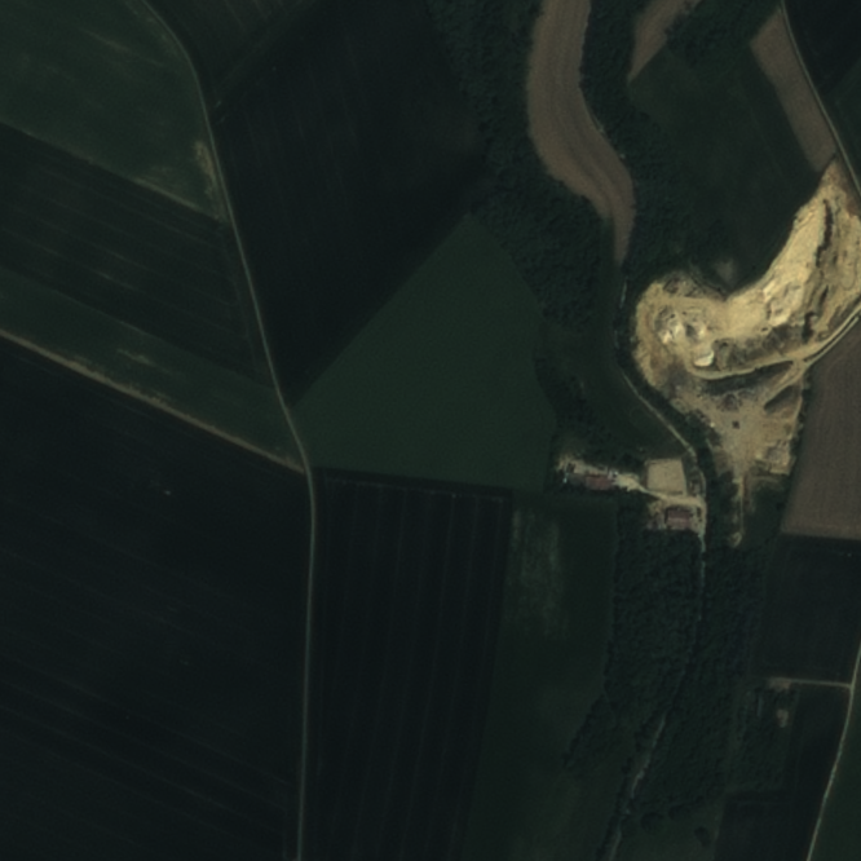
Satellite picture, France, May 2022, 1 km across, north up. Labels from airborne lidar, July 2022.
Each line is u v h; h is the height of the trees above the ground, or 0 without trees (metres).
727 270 0
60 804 0
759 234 0
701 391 0
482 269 0
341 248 0
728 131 0
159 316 0
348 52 0
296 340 0
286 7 0
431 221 0
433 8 19
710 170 0
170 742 0
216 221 0
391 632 0
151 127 0
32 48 0
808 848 0
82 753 0
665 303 0
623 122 18
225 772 0
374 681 0
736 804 0
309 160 0
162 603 0
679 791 10
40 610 0
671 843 0
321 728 0
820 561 0
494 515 0
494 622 0
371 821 0
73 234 0
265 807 0
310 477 0
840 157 0
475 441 0
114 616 0
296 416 0
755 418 0
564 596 0
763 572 11
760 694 9
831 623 0
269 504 0
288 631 0
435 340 0
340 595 0
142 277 0
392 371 0
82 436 0
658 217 21
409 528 0
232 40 0
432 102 0
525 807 0
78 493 0
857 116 0
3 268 0
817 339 0
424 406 0
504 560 0
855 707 0
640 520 15
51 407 0
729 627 6
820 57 0
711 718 8
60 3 0
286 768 0
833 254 0
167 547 0
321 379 0
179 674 0
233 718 0
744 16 15
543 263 21
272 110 0
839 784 0
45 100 0
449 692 0
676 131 0
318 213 0
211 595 0
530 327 0
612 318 0
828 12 0
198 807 0
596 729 18
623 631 19
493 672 0
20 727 0
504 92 22
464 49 19
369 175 0
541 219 17
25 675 0
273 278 0
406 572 0
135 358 0
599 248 15
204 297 0
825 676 0
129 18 0
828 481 0
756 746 9
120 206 0
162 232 0
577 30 0
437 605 0
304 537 0
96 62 0
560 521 0
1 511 0
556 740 0
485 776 0
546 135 0
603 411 0
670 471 0
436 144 0
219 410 0
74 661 0
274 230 0
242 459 0
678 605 26
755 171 0
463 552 0
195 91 0
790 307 0
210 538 0
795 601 0
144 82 0
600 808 0
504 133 18
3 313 0
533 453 0
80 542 0
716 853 0
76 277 0
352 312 0
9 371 0
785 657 0
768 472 0
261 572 0
